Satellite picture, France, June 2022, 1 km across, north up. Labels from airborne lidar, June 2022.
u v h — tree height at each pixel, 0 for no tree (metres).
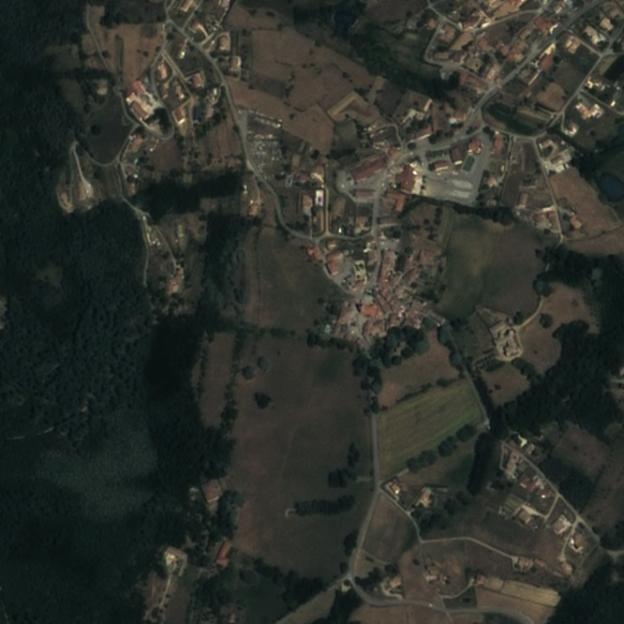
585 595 16
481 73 6
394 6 0
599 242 0
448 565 0
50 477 10
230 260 10
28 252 26
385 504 0
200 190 11
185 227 0
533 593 0
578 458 0
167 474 16
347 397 0
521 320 16
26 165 14
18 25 16
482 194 6
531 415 29
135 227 12
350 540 15
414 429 0
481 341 0
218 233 17
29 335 15
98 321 29
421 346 21
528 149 0
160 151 0
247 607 15
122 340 25
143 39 0
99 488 10
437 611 0
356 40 7
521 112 0
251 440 0
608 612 12
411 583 0
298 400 0
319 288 0
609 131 0
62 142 12
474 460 0
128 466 9
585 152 15
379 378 7
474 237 0
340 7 10
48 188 25
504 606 0
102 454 10
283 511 0
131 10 0
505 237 0
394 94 0
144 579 8
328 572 0
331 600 0
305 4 0
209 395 0
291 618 0
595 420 11
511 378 0
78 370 28
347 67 0
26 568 11
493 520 0
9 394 7
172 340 8
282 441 0
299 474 0
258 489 0
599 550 0
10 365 21
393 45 0
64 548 9
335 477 14
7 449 13
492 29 0
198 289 0
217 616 11
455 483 0
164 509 22
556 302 0
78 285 12
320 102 0
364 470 0
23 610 10
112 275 16
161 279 9
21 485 11
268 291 0
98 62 0
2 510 24
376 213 0
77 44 17
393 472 0
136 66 0
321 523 0
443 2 0
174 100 0
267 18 0
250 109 0
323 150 0
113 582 9
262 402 14
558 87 0
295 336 6
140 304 24
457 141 0
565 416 12
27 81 16
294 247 0
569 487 12
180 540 11
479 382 9
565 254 27
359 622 7
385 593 0
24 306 13
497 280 0
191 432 19
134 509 9
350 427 0
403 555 0
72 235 21
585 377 21
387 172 0
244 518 0
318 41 8
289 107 0
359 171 0
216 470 27
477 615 0
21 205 17
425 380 0
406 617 0
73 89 0
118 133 0
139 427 8
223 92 6
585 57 0
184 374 7
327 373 0
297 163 0
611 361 28
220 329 8
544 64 0
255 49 0
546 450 9
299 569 0
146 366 10
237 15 0
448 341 18
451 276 0
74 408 31
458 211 15
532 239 0
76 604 11
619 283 8
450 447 27
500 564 0
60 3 15
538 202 0
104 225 18
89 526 13
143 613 12
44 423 6
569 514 0
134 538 7
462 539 0
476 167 0
